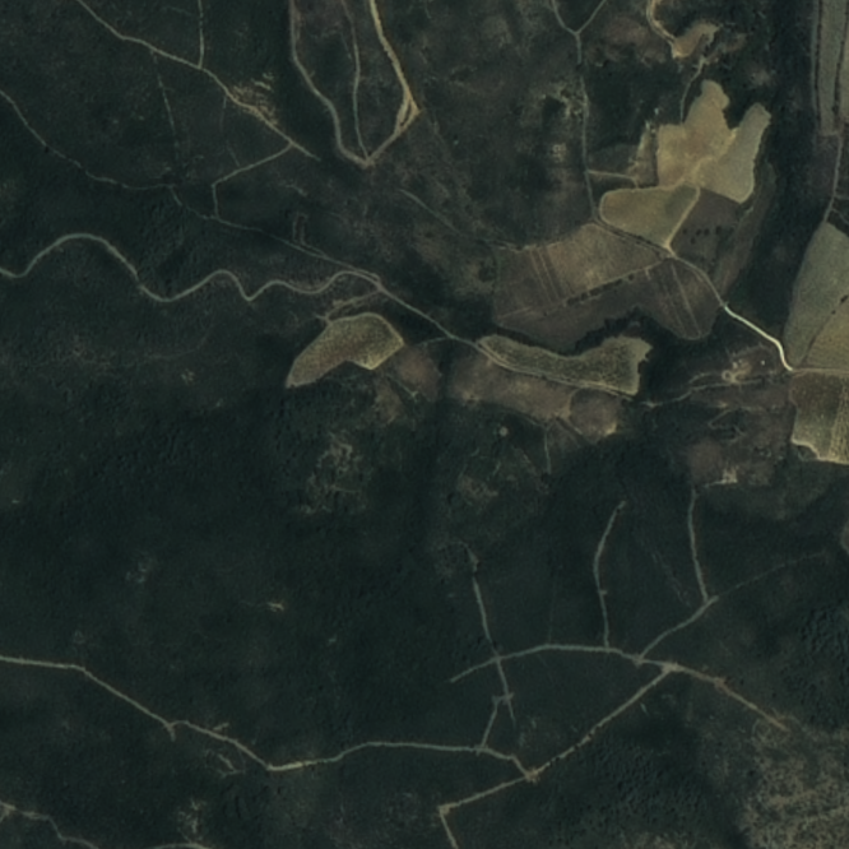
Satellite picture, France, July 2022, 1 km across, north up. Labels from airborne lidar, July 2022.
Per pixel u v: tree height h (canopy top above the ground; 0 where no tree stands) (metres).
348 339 0
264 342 5
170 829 6
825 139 0
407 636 7
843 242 0
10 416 6
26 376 8
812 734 0
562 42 0
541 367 0
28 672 0
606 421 0
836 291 0
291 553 6
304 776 0
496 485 6
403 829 6
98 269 7
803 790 0
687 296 0
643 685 0
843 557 8
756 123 0
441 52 0
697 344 7
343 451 0
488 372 0
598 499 6
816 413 0
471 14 0
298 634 9
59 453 9
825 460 0
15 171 6
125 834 6
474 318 8
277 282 0
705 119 0
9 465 6
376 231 0
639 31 0
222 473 5
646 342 7
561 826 8
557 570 6
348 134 0
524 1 0
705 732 0
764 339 0
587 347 12
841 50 0
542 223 0
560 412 0
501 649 10
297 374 0
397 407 0
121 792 6
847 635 14
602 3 0
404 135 0
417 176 0
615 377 0
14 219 6
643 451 6
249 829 7
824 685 9
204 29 7
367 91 0
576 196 0
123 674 6
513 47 0
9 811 0
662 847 0
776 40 10
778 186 7
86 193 7
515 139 0
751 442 0
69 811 6
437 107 0
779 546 6
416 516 6
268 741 6
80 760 6
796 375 0
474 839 0
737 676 0
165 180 8
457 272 0
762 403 0
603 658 6
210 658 6
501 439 8
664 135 0
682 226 0
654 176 0
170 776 7
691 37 0
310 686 8
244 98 0
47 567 9
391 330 0
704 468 0
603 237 0
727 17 6
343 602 17
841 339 0
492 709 6
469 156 0
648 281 0
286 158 0
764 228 7
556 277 0
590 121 0
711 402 0
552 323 0
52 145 6
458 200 0
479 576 7
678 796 10
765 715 0
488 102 0
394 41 0
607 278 0
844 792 0
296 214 10
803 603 9
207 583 6
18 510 6
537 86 0
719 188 0
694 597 0
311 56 0
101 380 5
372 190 0
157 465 8
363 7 0
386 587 9
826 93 0
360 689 8
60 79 0
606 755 15
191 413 9
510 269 0
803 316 0
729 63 10
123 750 6
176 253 6
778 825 0
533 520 7
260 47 10
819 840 0
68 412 8
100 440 7
